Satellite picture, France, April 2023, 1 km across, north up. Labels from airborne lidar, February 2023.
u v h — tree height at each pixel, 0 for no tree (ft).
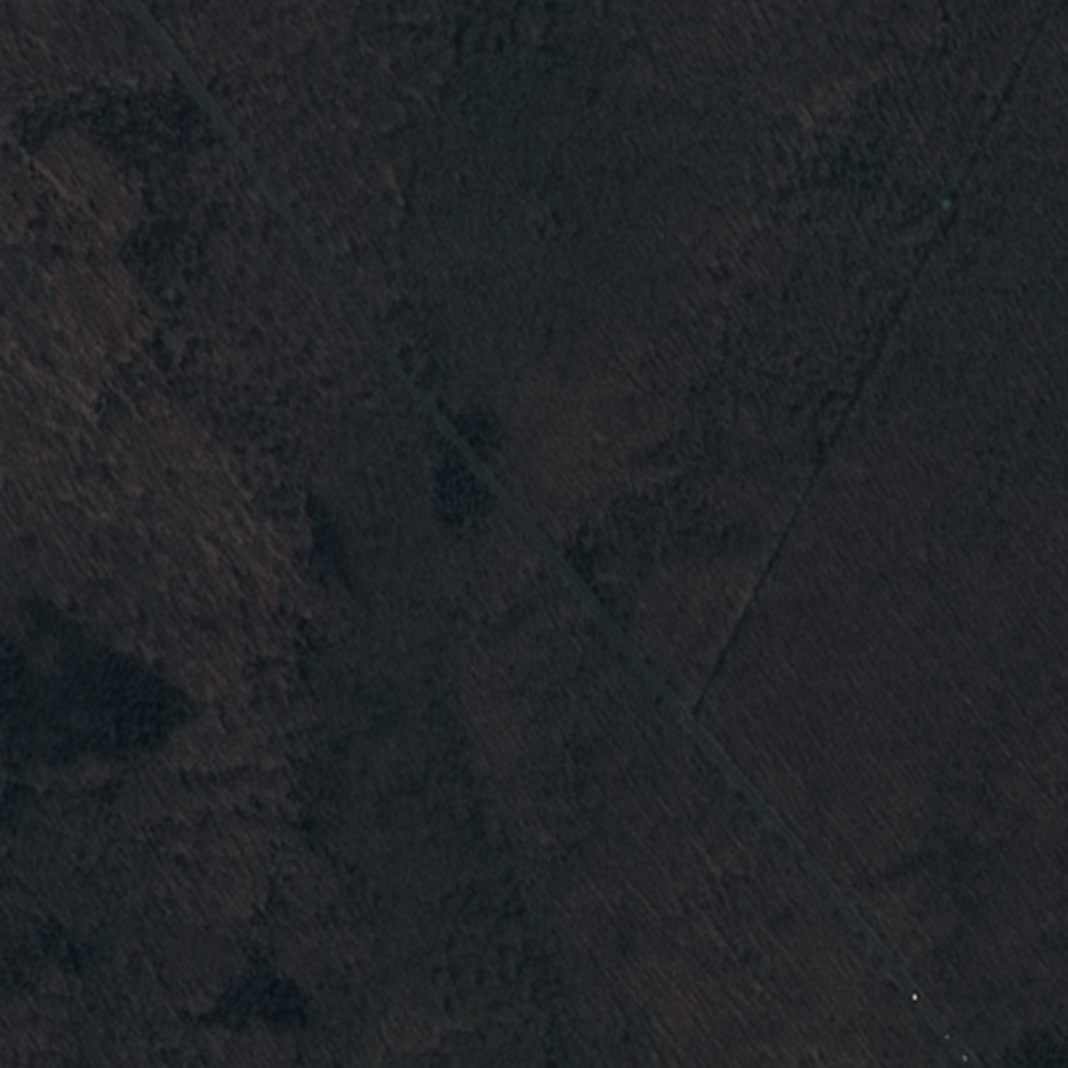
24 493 63
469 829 70
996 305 74
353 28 31
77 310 48
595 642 55
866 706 76
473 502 79
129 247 32
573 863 62
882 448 77
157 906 76
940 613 70
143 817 75
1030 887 74
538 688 64
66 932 75
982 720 63
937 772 78
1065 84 94
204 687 60
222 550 58
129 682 76
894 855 73
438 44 70
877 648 78
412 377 49
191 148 44
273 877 47
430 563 64
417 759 73
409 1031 80
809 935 66
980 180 64
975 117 76
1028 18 78
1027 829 70
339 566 66
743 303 70
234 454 19
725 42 91
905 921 69
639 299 78
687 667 58
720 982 80
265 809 59
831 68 93
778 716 68
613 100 64
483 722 71
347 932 72
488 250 93
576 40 76
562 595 50
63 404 50
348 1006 73
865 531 75
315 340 57
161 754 66
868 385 62
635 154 89
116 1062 82
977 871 72
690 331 79
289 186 72
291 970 62
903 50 87
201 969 78
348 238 71
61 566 65
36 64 60
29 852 72
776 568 59
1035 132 83
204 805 76
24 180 60
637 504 50
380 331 46
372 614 69
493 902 56
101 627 73
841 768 82
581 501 52
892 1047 81
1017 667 77
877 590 83
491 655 70
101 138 30
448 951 40
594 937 68
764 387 61
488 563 82
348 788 70
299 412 36
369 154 66
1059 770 86
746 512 50
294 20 47
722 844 76
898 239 64
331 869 59
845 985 64
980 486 86
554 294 80
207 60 48
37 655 59
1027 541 87
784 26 85
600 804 62
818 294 54
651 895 68
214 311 61
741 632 44
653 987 85
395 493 58
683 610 60
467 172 84
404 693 73
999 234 63
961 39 61
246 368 42
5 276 56
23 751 56
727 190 84
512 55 75
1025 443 87
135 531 71
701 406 57
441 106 76
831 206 82
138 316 61
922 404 77
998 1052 74
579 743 52
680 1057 72
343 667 60
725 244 76
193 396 58
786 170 84
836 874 68
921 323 76
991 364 79
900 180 69
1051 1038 72
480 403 85
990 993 80
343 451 58
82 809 47
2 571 62
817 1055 66
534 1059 30
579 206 78
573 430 72
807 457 58
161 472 49
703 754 76
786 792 63
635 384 78
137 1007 79
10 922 67
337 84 63
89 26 58
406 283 70
